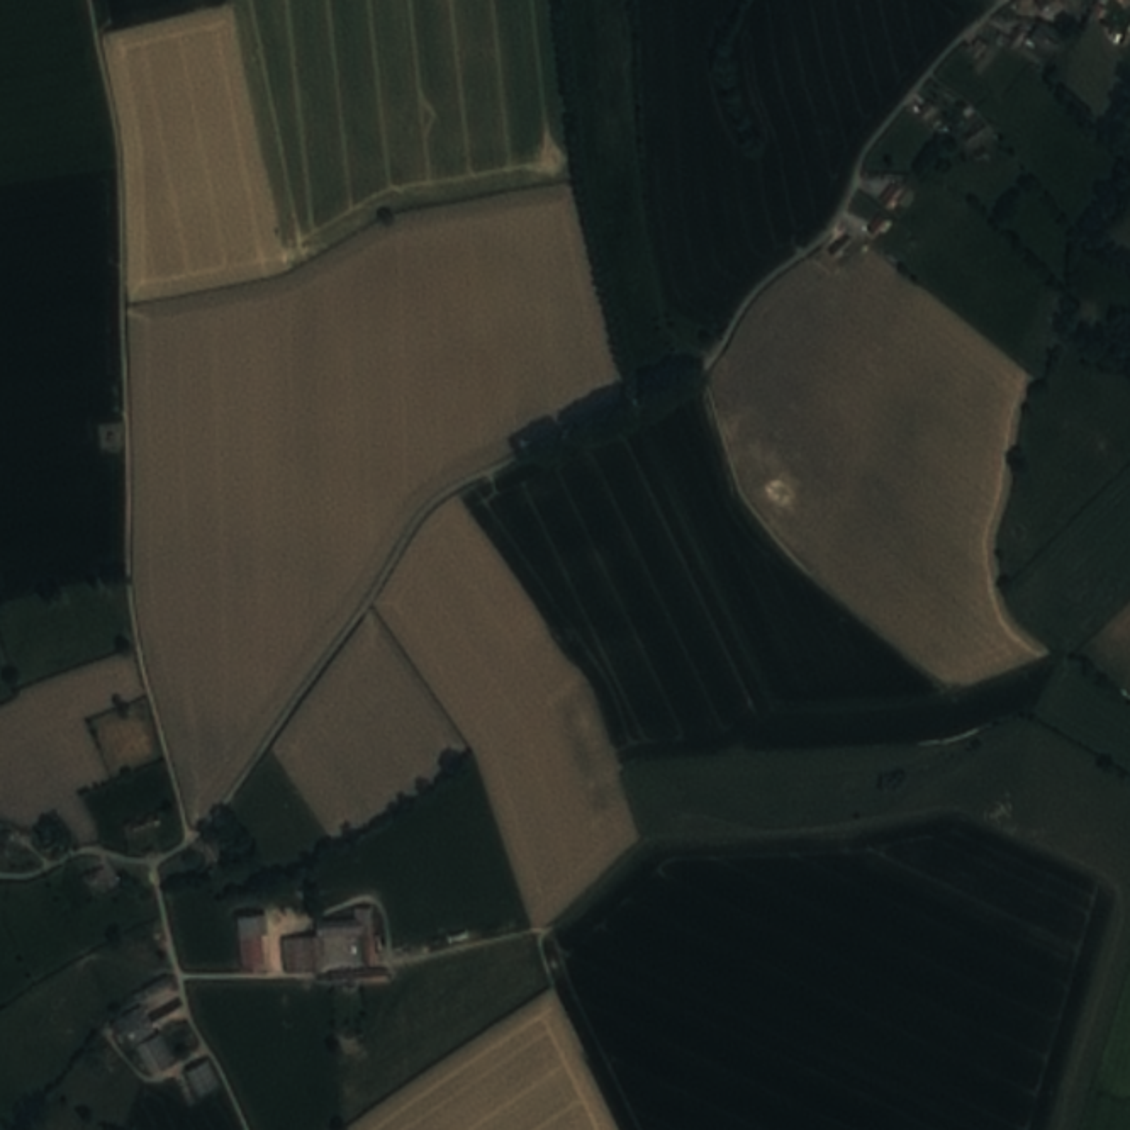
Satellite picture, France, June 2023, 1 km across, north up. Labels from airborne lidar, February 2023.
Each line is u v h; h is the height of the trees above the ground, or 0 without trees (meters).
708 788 0
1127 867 0
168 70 0
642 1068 0
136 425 0
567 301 0
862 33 0
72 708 0
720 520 0
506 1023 0
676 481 0
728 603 0
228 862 18
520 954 0
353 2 0
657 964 0
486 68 0
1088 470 0
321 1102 0
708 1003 0
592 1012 0
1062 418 0
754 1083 0
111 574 19
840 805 0
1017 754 0
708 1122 0
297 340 0
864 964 0
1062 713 0
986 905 0
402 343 0
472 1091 0
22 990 0
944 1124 0
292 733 0
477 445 0
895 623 0
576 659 0
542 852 0
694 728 0
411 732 0
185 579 0
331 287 0
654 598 0
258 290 0
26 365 0
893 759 0
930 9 0
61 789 0
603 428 29
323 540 0
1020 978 0
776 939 0
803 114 0
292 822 0
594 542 0
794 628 0
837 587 0
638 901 0
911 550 0
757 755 0
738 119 14
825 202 0
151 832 0
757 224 0
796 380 0
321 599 0
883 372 0
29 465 0
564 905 0
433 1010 0
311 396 0
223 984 0
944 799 0
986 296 0
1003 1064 0
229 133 0
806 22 0
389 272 0
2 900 0
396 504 0
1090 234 28
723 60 23
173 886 14
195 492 0
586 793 0
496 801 0
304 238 0
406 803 14
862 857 0
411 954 0
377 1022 0
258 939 0
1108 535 0
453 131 0
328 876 0
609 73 0
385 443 0
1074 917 0
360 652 0
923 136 0
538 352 0
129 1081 0
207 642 0
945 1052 0
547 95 0
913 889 0
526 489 0
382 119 0
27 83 0
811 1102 0
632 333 0
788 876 0
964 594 0
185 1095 0
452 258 0
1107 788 0
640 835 0
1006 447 0
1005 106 0
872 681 0
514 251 0
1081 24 8
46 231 0
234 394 0
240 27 0
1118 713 0
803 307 0
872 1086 0
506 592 0
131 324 0
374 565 0
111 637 0
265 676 0
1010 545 0
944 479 0
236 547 0
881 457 0
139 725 0
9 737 0
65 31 0
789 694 0
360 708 0
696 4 0
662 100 0
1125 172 17
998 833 0
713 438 0
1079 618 0
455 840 0
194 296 0
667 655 0
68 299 0
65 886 0
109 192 0
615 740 0
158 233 0
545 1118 0
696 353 0
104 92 0
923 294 0
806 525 0
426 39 0
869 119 0
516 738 0
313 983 0
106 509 0
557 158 0
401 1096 0
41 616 0
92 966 0
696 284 0
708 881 0
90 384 0
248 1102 0
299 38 0
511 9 0
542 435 24
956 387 0
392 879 0
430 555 0
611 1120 0
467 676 0
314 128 0
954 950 0
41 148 0
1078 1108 0
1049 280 12
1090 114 9
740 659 0
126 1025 0
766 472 0
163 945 0
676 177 0
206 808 0
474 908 0
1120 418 0
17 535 0
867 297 0
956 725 0
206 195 0
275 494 0
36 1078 0
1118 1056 0
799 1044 0
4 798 0
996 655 0
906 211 0
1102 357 16
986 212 8
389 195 0
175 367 0
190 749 0
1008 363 0
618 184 0
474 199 0
